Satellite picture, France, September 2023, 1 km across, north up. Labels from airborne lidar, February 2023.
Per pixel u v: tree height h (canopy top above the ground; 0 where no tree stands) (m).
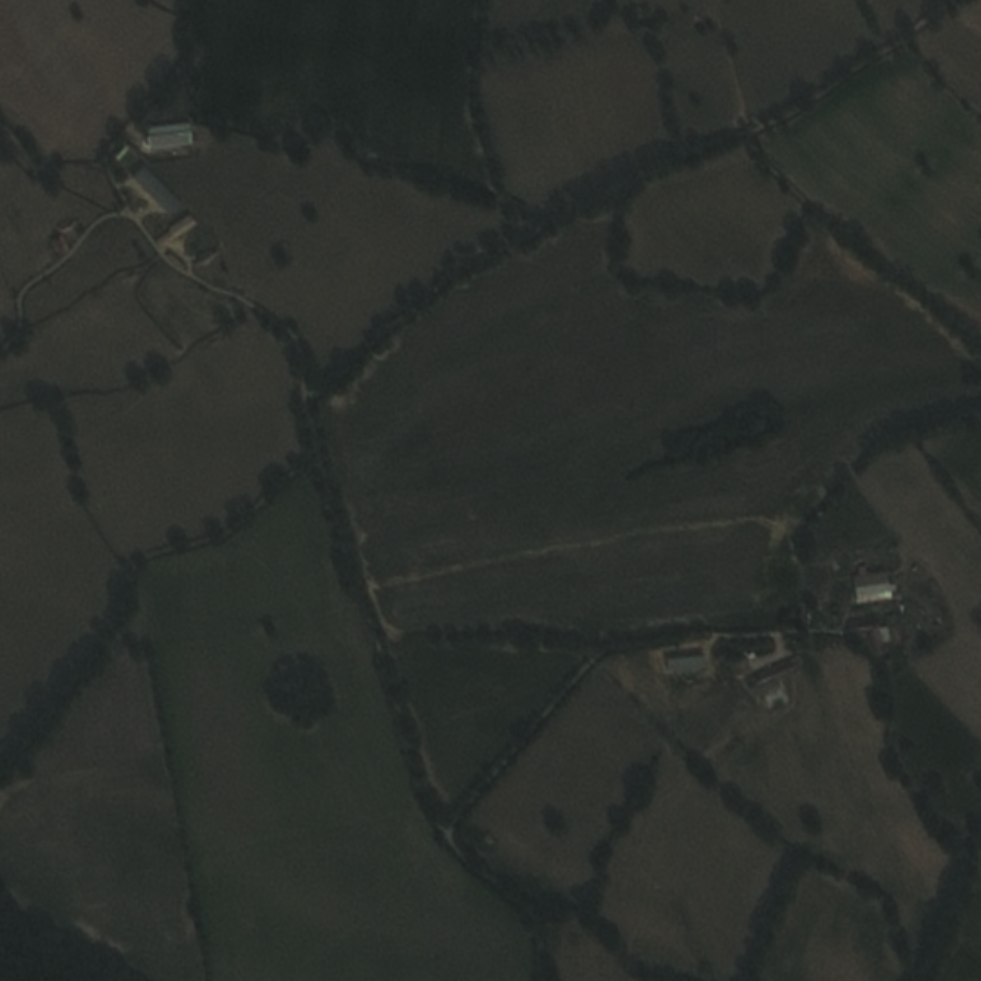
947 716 0
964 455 0
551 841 0
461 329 0
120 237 0
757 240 0
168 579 0
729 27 0
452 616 0
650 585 0
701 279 0
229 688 0
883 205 0
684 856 0
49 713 22
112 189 0
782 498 0
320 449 18
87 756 0
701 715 0
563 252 0
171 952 0
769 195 0
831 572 0
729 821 0
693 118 0
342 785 0
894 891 0
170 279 0
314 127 18
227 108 0
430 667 0
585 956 0
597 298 0
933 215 0
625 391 0
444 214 0
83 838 0
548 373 0
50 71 0
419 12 0
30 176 10
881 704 14
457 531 0
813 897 0
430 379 0
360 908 0
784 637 6
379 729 0
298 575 0
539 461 0
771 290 7
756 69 0
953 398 0
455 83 0
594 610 0
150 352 0
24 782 0
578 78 0
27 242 0
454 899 0
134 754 0
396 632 0
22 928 25
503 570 0
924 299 17
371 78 0
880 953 0
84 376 0
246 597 0
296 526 0
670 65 0
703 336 0
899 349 0
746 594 0
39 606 0
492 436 0
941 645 0
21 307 0
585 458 0
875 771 0
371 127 0
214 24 0
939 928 22
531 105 0
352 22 0
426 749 0
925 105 0
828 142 0
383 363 0
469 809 11
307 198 0
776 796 0
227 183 0
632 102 0
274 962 0
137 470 0
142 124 15
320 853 0
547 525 0
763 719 0
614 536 0
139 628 0
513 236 18
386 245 0
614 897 0
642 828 0
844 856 0
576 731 0
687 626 7
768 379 0
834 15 0
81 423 0
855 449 0
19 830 0
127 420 0
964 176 0
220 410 0
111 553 0
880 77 0
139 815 0
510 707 0
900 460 0
